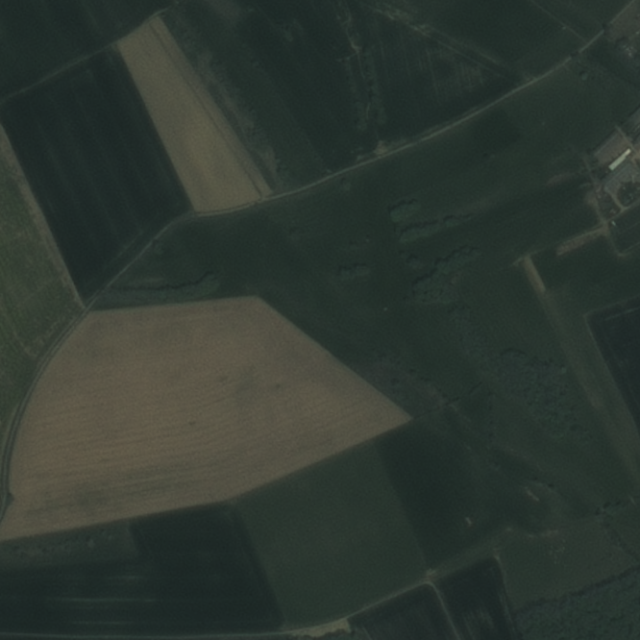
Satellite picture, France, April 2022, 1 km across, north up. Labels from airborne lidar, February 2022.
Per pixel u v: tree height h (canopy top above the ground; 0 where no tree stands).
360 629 0
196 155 0
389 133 0
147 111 0
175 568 0
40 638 0
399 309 0
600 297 0
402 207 11
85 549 0
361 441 0
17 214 0
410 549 0
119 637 0
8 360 0
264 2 0
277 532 0
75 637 0
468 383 0
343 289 0
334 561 0
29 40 0
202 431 0
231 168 0
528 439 0
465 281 0
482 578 0
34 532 0
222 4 0
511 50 0
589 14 0
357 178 0
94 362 0
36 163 0
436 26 0
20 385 0
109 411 0
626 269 0
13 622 0
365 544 0
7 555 0
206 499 0
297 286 0
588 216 0
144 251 0
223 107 0
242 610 0
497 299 0
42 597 0
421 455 0
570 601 18
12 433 0
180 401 0
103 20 0
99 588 0
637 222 0
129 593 0
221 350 0
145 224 0
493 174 0
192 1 0
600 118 0
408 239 10
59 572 0
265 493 0
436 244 0
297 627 0
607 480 0
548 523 0
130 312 0
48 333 0
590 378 0
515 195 0
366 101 0
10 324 0
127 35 0
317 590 0
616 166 0
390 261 0
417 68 0
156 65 0
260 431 0
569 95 0
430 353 0
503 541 0
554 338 0
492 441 10
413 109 0
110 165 0
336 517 0
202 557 0
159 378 0
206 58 0
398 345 0
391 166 0
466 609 0
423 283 13
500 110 0
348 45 0
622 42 8
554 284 0
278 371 0
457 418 0
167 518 0
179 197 0
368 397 0
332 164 0
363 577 0
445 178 0
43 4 0
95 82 0
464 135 0
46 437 0
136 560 0
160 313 0
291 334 0
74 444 0
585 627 26
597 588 13
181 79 0
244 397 0
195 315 0
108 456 0
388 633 0
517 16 0
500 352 0
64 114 0
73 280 0
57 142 0
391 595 0
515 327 0
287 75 0
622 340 0
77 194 0
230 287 0
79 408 0
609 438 0
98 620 0
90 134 0
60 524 0
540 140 0
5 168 0
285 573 0
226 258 0
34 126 0
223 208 0
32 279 0
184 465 0
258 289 0
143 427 0
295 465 0
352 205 0
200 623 0
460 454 0
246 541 0
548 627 23
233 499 0
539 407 21
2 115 0
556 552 0
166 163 0
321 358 0
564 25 0
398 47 0
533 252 0
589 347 0
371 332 0
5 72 0
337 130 0
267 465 0
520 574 0
